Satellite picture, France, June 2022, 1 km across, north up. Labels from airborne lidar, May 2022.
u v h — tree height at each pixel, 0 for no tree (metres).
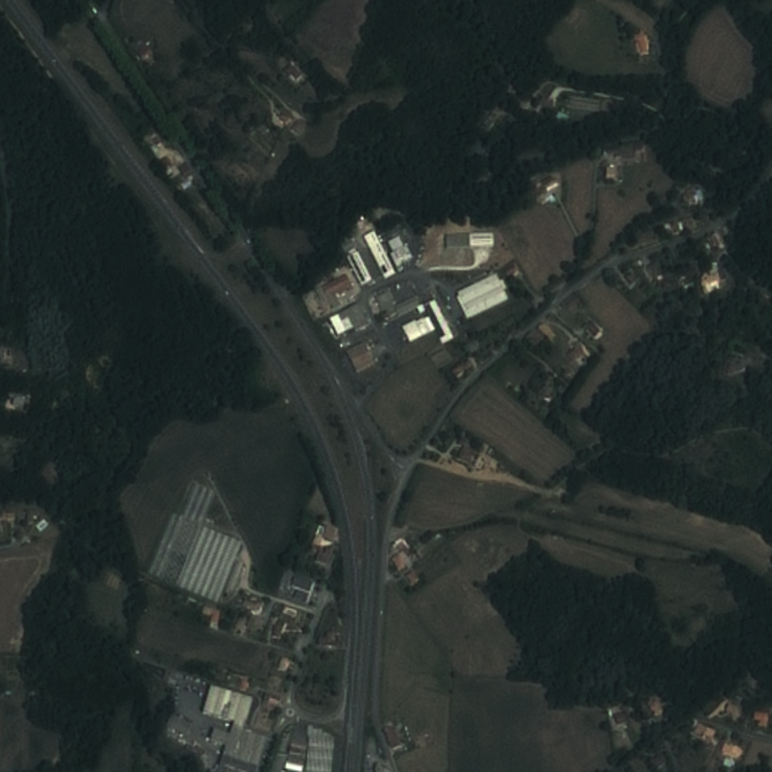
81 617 6
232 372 15
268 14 8
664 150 16
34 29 0
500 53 20
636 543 0
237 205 14
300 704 0
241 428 0
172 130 25
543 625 18
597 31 0
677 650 19
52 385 8
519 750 0
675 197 16
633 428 15
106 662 7
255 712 0
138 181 0
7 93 22
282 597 0
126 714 0
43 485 30
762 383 22
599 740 0
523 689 0
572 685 14
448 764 0
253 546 0
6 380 15
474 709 0
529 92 23
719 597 0
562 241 0
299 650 0
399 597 0
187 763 26
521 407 0
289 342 10
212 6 6
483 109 19
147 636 0
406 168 20
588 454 17
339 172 15
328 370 0
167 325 11
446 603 0
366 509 0
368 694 0
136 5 0
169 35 0
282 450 0
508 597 10
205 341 10
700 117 7
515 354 12
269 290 13
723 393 22
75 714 17
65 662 17
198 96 8
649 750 7
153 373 14
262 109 0
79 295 14
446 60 9
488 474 0
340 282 0
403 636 0
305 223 14
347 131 16
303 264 14
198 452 0
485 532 0
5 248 21
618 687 12
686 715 13
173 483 0
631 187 0
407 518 0
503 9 7
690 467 18
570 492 14
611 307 0
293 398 0
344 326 0
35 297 14
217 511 0
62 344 13
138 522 0
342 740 0
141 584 11
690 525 0
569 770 0
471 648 0
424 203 22
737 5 24
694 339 19
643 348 24
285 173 12
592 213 9
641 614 15
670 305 20
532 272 0
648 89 16
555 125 22
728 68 0
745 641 14
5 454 0
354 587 0
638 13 0
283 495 0
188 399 14
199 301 16
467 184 22
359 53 7
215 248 8
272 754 17
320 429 0
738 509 15
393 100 0
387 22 12
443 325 0
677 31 22
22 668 12
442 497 0
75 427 27
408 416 0
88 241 23
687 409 20
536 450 0
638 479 9
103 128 0
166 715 15
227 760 0
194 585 0
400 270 0
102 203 21
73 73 0
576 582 14
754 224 19
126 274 15
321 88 15
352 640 0
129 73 25
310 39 0
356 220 7
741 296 10
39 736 0
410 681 0
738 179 12
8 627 0
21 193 20
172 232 0
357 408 0
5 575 0
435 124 16
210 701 0
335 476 0
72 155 15
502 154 27
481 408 0
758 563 0
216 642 0
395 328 0
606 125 25
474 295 0
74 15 14
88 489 29
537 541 12
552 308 0
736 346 9
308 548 6
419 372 0
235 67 15
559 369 7
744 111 24
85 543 24
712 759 0
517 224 0
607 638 14
